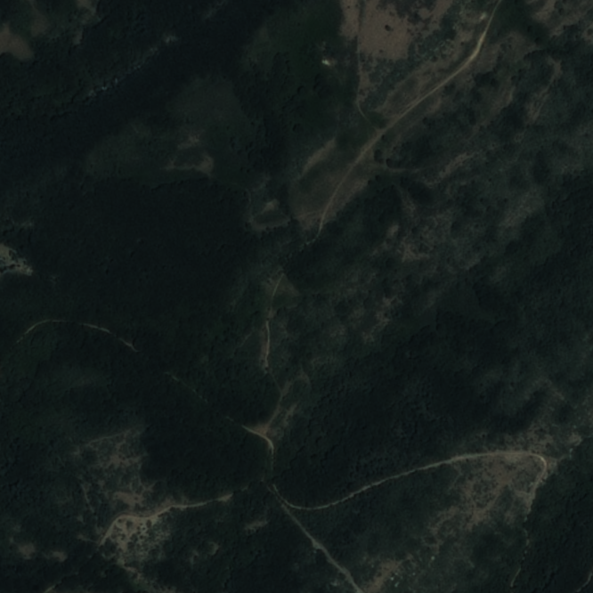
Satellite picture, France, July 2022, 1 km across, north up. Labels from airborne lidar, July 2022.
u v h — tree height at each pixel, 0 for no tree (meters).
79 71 15
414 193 10
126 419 12
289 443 14
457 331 12
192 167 0
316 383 6
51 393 7
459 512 0
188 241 20
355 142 0
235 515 8
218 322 7
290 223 8
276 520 12
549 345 7
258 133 13
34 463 13
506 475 0
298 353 10
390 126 0
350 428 13
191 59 14
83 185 9
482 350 7
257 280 7
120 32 14
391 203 6
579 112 7
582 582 10
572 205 18
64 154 12
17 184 9
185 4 10
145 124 8
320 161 0
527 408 8
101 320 9
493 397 9
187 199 15
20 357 8
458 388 17
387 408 13
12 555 6
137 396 16
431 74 0
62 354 16
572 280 8
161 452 16
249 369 11
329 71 0
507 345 7
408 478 6
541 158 13
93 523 6
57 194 9
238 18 11
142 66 9
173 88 9
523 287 9
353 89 0
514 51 0
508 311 11
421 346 13
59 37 7
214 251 19
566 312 6
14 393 18
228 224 13
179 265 19
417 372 14
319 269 7
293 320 9
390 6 0
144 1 20
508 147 8
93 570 12
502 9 0
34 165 15
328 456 19
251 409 13
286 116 9
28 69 11
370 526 6
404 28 0
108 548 6
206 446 19
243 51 8
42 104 20
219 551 12
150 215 14
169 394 15
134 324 8
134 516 0
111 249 16
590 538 8
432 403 15
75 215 12
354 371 18
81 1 0
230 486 9
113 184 15
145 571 10
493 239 8
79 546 9
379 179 10
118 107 14
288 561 12
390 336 9
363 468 13
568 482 8
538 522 10
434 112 0
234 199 12
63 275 10
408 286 7
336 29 0
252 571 16
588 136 12
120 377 16
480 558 7
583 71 13
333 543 8
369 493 9
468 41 0
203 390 10
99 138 11
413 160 7
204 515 10
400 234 7
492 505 0
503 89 0
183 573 8
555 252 7
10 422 20
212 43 10
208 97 0
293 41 0
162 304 23
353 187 0
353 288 0
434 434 11
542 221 10
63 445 6
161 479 6
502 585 14
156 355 13
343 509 7
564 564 17
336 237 6
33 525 11
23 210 10
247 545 13
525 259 11
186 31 9
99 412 11
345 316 8
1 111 14
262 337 0
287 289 0
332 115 0
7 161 14
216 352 8
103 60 18
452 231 8
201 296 21
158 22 11
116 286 17
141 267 17
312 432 18
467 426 7
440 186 8
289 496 18
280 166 6
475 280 7
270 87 14
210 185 10
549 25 0
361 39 0
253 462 12
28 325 6
